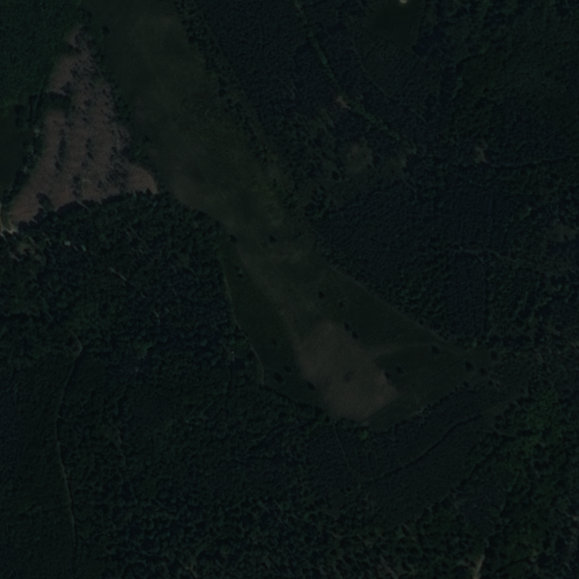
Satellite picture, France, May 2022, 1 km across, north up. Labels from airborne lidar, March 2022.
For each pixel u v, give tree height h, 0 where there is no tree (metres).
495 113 22
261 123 7
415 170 24
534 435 23
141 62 0
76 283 29
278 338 0
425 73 9
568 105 21
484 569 9
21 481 15
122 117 10
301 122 15
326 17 10
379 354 0
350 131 29
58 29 21
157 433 21
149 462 20
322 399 0
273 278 0
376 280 11
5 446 20
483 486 25
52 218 25
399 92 6
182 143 0
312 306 0
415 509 11
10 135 0
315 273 0
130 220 14
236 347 9
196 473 13
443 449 12
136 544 28
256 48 7
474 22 25
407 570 35
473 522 27
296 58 20
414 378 0
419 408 0
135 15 0
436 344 0
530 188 22
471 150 29
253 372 9
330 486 10
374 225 11
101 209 12
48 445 16
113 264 21
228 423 7
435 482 10
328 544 21
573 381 21
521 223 9
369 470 11
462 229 21
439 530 10
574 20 13
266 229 0
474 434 11
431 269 13
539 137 24
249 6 11
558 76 19
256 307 0
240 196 0
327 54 30
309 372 0
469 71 23
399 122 22
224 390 12
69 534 14
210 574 29
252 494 9
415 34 0
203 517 28
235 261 0
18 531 14
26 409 13
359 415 0
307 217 9
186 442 16
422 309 11
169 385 19
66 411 10
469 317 19
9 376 16
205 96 0
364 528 17
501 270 7
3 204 10
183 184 0
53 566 14
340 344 0
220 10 12
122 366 25
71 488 11
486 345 7
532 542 12
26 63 23
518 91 23
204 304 20
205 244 19
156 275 23
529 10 20
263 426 18
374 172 23
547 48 19
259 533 21
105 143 0
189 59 0
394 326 0
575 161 21
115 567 13
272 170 0
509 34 21
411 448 12
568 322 24
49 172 0
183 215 19
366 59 7
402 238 15
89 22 19
